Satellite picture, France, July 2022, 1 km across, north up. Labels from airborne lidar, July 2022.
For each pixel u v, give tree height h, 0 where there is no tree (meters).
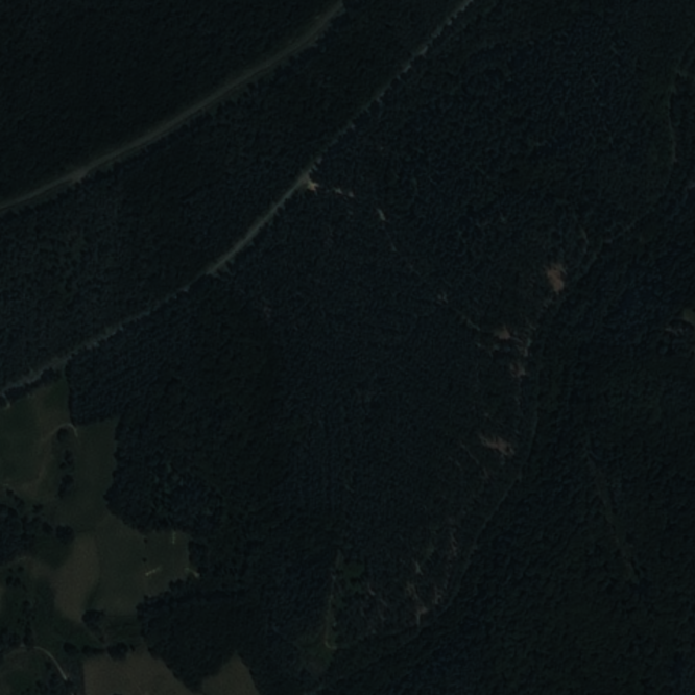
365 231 23
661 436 25
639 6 25
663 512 24
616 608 27
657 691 28
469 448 14
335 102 20
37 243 9
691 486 26
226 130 14
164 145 17
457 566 21
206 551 22
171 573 0
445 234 34
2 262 15
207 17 19
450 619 20
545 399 18
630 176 15
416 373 26
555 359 13
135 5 14
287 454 21
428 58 9
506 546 16
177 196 18
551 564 18
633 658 25
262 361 25
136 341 22
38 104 18
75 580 0
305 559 14
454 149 32
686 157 18
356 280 16
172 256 18
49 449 0
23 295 22
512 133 29
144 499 23
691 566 21
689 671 34
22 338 24
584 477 15
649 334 20
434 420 22
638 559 24
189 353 21
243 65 22
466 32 19
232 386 22
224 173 17
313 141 19
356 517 24
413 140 20
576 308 34
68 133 21
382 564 21
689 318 0
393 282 24
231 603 16
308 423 18
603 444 26
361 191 19
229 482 16
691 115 19
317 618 18
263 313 22
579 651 16
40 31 22
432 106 7
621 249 21
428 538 22
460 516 17
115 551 0
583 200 14
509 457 17
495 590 18
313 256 13
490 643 20
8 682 0
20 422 0
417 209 28
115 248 16
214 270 0
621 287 31
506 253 14
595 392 15
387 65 14
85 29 15
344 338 21
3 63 18
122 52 19
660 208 18
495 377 17
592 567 28
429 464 21
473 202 14
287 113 20
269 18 18
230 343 22
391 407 23
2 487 0
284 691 21
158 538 0
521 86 34
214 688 0
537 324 15
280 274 16
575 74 30
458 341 19
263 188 20
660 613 31
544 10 19
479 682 22
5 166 22
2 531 25
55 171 21
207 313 22
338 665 16
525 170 23
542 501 17
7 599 0
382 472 22
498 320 20
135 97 22
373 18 20
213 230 23
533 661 18
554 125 30
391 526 22
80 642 0
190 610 21
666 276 26
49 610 0
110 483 0
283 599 18
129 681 0
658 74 20
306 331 21
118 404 20
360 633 17
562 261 14
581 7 23
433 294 23
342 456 22
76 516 0
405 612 14
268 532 19
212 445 23
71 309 18
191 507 25
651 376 17
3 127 20
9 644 17
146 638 21
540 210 19
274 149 20
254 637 20
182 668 19
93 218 17
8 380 14
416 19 15
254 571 24
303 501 23
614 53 31
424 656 20
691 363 18
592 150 27
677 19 21
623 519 24
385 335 21
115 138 20
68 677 0
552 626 25
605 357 23
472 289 23
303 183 0
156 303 13
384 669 20
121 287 12
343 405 15
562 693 23
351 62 16
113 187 16
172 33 19
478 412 17
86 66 19
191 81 23
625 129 27
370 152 21
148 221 19
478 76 19
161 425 23
